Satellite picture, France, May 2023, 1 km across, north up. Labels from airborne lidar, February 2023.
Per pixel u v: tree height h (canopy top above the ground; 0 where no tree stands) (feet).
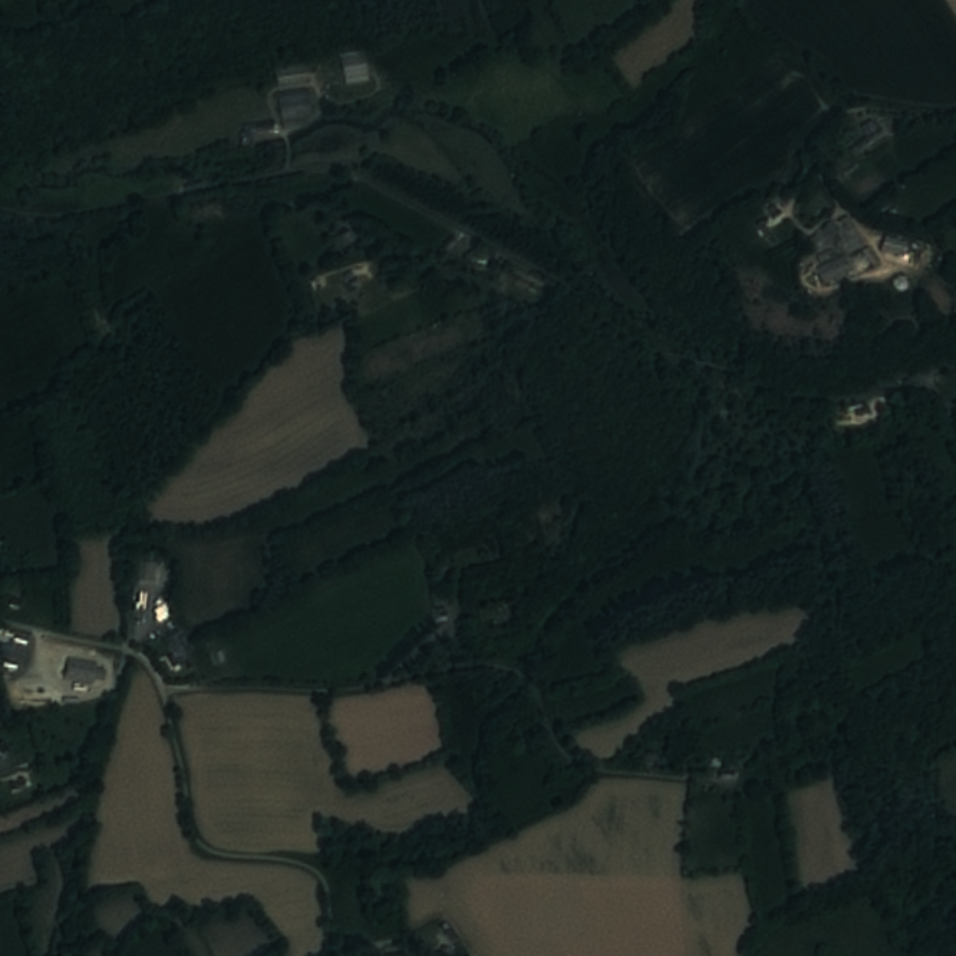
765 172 0
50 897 0
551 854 0
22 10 0
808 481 80
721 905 0
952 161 44
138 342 44
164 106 68
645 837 0
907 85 0
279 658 0
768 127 0
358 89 0
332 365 0
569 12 0
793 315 37
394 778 38
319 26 67
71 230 25
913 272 0
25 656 0
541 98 0
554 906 0
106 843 0
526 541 33
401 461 36
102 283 24
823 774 53
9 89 53
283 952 55
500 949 0
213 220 0
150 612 0
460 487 58
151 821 0
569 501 51
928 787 43
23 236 65
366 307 0
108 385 56
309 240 0
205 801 0
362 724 0
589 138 50
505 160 41
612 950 0
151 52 67
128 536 57
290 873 0
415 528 66
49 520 0
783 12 0
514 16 55
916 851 71
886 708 74
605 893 0
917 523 38
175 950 37
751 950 51
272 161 47
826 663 50
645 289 72
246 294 0
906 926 52
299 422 0
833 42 0
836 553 48
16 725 33
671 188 0
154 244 0
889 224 51
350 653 0
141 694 0
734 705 0
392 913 41
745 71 0
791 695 53
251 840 0
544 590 58
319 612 0
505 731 57
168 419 51
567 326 67
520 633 31
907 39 0
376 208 0
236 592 0
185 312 0
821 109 0
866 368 57
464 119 41
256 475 0
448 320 25
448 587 57
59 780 0
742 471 42
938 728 55
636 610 105
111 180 0
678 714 51
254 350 0
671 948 0
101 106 63
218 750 0
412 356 0
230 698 0
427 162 0
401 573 0
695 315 57
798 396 23
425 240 0
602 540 69
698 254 60
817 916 26
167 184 0
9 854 0
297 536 37
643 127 60
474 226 47
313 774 0
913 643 0
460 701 0
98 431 45
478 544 24
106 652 0
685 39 0
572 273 21
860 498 0
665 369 74
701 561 0
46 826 31
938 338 67
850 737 67
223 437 0
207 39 64
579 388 81
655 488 81
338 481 47
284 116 0
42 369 0
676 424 60
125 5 0
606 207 59
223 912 33
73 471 55
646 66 0
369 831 53
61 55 49
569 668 0
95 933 37
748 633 0
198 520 0
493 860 0
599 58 74
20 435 0
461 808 0
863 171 0
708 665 0
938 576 53
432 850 64
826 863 0
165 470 65
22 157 77
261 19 63
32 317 0
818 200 0
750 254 0
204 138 0
